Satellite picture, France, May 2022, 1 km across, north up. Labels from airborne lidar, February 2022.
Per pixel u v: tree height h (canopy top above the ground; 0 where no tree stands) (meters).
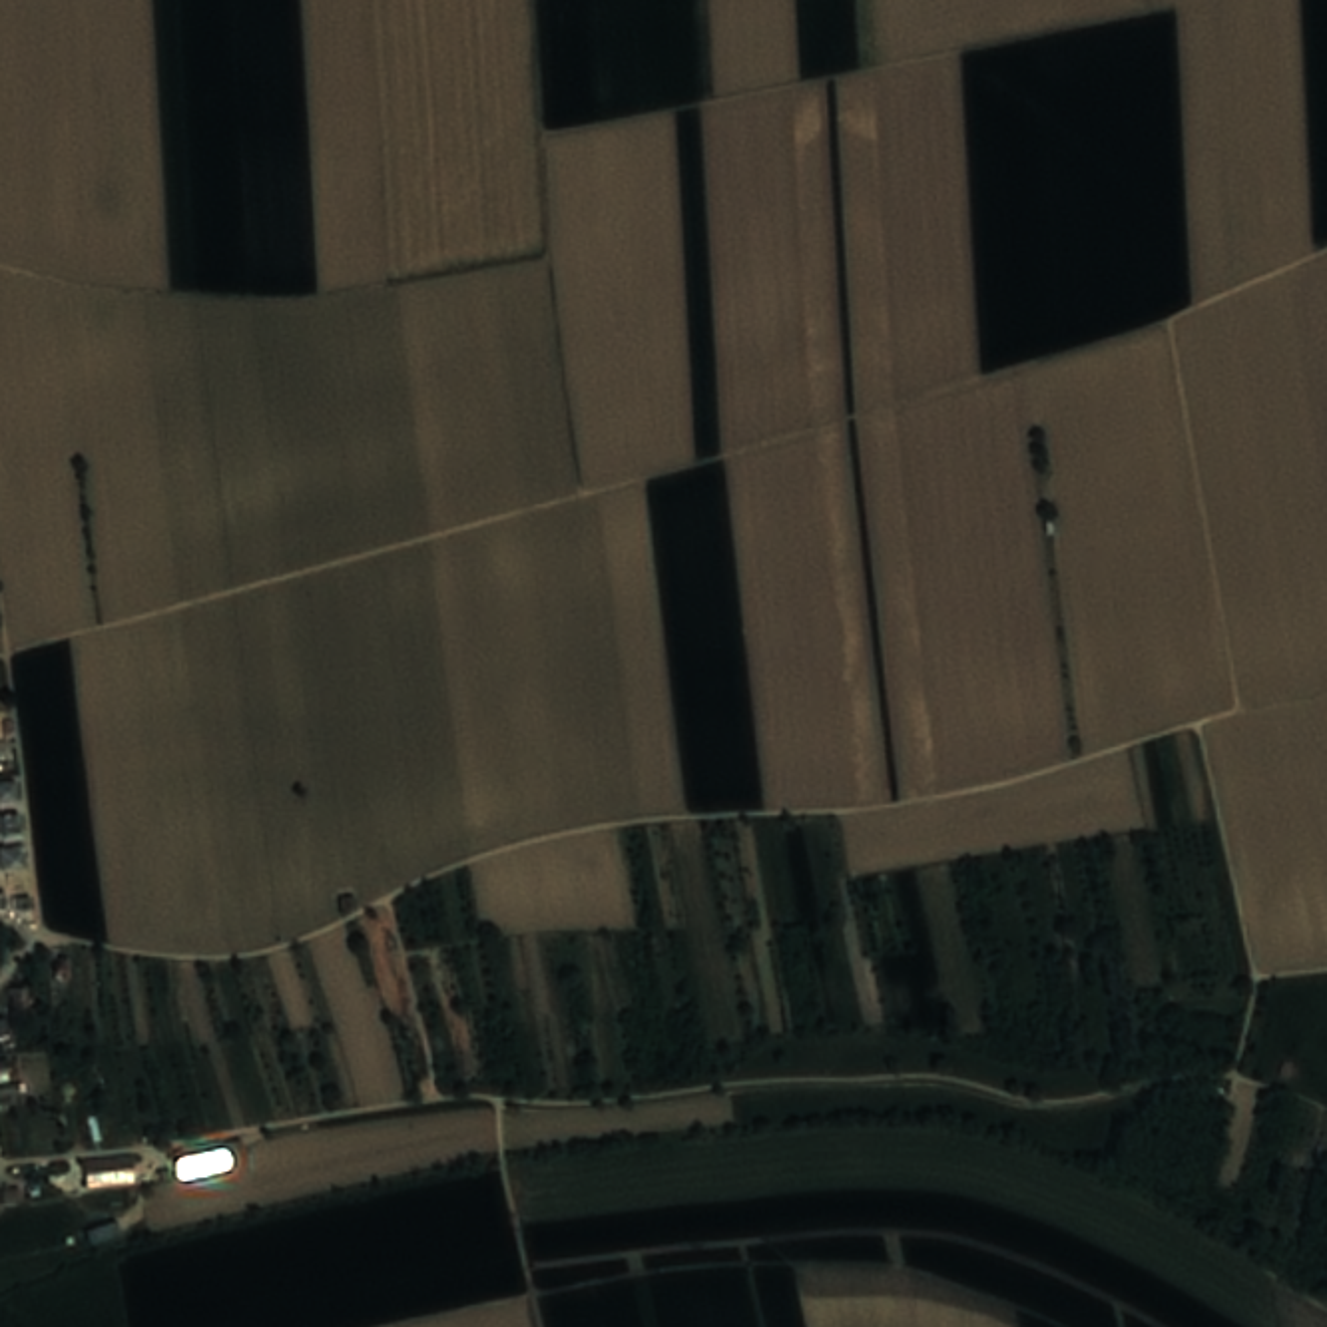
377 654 0
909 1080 0
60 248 0
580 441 0
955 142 0
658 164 0
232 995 0
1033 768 0
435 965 0
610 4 0
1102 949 12
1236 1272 0
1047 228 0
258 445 0
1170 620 0
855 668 0
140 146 0
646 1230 0
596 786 0
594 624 0
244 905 0
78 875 0
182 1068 0
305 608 0
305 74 0
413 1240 0
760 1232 0
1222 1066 10
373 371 0
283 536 0
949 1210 0
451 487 0
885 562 0
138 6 0
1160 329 0
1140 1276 0
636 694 0
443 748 0
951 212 0
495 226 0
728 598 0
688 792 0
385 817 0
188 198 0
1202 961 0
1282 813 0
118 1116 0
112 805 0
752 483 0
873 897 9
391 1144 0
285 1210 0
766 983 0
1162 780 0
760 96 0
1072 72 0
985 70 0
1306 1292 13
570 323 0
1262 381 0
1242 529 0
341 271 0
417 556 0
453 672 0
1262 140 0
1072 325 0
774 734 0
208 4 0
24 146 0
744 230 0
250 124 0
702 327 0
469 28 0
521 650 0
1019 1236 0
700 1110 0
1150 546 0
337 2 0
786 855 0
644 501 0
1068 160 0
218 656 0
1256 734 0
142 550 0
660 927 0
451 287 0
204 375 0
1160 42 0
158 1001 0
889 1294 0
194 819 0
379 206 0
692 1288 0
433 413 0
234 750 0
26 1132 0
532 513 0
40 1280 0
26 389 0
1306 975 0
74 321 0
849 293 0
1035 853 8
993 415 0
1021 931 0
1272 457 0
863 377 0
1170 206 0
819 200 0
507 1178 0
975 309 0
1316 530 0
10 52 0
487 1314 0
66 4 0
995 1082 0
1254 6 0
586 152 0
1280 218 0
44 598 0
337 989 0
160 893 0
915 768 0
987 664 0
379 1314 0
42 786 0
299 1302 0
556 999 0
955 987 0
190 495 0
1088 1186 0
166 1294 0
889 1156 0
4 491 0
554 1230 0
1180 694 0
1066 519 0
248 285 0
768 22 0
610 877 0
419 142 0
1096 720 0
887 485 0
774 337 0
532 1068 0
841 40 0
